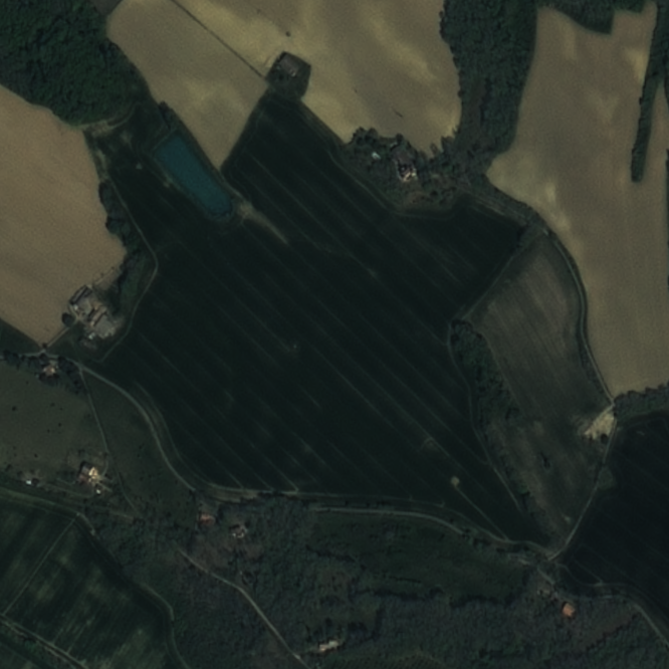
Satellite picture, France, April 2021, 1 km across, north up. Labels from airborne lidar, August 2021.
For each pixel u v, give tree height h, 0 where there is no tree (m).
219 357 0
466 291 0
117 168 0
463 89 13
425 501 0
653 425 0
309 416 0
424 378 0
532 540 0
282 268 0
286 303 0
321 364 0
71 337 0
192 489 0
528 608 14
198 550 18
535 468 0
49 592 0
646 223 0
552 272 0
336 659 9
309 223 0
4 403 0
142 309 0
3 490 0
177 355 0
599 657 11
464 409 0
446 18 15
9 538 0
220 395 0
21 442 0
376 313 0
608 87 0
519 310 0
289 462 0
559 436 0
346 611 20
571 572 0
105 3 0
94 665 0
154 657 0
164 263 0
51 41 20
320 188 0
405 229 0
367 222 0
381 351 0
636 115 0
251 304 0
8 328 0
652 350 0
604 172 0
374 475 0
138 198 0
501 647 25
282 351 0
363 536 0
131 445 0
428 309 0
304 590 9
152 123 0
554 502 0
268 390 0
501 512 0
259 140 0
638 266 0
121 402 0
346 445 0
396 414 0
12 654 0
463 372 0
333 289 0
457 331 15
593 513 0
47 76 19
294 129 0
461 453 0
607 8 20
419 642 21
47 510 0
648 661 15
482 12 23
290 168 0
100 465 0
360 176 0
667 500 0
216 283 0
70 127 11
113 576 0
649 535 0
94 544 0
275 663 10
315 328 0
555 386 0
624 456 0
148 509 7
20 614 0
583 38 0
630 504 0
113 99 20
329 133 0
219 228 0
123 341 0
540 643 22
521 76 18
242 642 11
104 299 0
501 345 0
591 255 0
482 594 0
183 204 0
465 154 13
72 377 15
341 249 0
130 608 0
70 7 19
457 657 16
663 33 7
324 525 0
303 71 0
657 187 0
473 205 0
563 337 0
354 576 18
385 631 18
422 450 0
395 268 0
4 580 0
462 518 0
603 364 0
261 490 0
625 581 0
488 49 19
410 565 0
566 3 19
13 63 20
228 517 22
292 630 16
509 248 0
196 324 0
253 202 0
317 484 0
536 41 0
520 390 0
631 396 11
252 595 7
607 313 0
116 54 26
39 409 0
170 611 0
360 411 0
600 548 0
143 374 0
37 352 0
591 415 0
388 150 9
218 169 0
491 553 20
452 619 20
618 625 0
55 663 16
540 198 0
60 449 0
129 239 14
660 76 12
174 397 0
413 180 13
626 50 0
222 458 0
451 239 0
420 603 17
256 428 0
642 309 0
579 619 19
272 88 0
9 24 18
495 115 21
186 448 0
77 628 0
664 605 0
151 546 13
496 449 17
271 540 18
